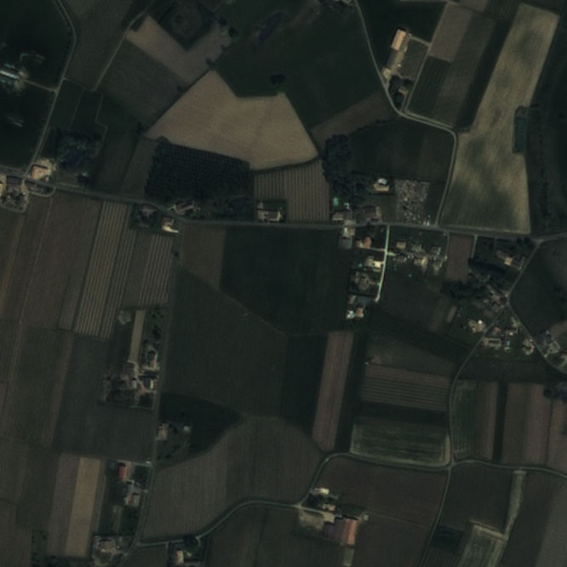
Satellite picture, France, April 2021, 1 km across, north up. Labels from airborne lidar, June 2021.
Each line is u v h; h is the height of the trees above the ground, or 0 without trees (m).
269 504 0
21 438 0
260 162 0
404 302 0
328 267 0
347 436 0
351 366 0
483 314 0
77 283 0
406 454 0
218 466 0
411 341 0
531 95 0
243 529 0
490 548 0
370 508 0
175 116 0
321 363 0
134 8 0
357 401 0
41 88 0
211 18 9
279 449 0
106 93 0
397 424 0
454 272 0
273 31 0
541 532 0
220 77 0
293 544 0
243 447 0
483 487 0
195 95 0
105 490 0
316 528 0
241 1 0
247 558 0
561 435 0
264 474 0
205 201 16
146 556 0
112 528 0
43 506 0
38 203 0
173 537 0
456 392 0
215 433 0
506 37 0
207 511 0
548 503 0
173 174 17
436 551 0
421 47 0
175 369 0
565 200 0
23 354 0
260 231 0
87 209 0
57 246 0
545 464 0
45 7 0
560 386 0
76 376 0
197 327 0
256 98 0
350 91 0
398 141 0
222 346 0
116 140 0
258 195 0
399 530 0
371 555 0
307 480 0
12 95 0
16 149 0
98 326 0
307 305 0
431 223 0
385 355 0
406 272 0
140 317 0
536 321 0
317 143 0
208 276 0
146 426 0
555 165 0
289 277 0
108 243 0
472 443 0
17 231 0
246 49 0
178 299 0
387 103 0
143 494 0
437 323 0
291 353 0
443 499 0
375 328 0
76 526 0
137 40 0
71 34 8
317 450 0
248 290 0
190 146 0
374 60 0
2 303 0
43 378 0
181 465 0
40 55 0
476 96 0
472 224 0
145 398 0
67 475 0
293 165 0
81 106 0
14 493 0
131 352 0
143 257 0
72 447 0
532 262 0
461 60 0
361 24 0
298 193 0
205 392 0
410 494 0
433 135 0
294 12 0
